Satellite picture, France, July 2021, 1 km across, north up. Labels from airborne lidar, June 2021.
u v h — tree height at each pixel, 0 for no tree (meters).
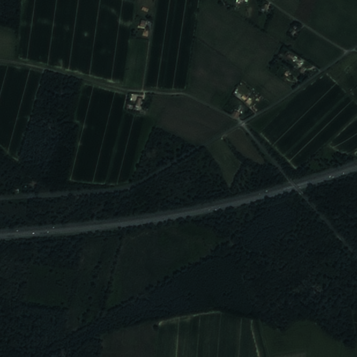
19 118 0
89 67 0
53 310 22
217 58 0
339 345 0
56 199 8
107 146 0
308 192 7
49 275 0
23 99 0
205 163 8
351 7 0
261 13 10
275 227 11
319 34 0
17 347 7
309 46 0
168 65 0
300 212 12
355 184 14
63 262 14
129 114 0
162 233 0
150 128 0
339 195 16
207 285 16
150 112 0
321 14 0
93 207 14
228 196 18
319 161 11
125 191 12
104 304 12
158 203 11
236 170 0
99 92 0
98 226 0
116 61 0
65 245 14
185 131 0
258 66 0
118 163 0
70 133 16
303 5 0
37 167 13
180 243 0
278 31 0
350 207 15
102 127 0
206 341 0
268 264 28
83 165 0
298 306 25
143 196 10
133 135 0
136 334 0
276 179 16
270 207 14
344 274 13
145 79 0
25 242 6
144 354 0
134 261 0
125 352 0
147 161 9
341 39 0
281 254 12
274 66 14
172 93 0
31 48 0
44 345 23
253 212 16
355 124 0
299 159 0
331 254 20
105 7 0
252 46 0
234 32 0
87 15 0
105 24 0
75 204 8
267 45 0
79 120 0
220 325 0
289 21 0
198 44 0
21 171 12
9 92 0
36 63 0
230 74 0
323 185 13
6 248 11
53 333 19
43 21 0
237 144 0
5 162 11
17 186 6
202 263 17
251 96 0
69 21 0
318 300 22
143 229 11
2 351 17
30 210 13
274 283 20
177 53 0
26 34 0
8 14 16
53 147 16
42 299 0
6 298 7
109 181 0
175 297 15
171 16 0
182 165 12
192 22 0
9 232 0
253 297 17
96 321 8
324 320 17
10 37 0
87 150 0
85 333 14
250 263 18
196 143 0
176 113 0
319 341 0
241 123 0
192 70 0
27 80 0
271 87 0
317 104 0
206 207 0
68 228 0
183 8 0
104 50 0
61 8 0
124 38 0
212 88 0
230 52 0
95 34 0
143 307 14
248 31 0
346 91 0
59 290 0
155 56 0
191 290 14
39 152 16
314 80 0
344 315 22
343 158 14
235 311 15
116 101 0
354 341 16
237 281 15
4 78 0
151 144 8
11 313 14
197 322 0
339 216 18
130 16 0
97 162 0
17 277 7
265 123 0
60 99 20
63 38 0
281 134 0
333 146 0
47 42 0
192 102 0
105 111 0
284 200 19
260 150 16
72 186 11
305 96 0
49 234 0
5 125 0
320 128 0
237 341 0
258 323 0
